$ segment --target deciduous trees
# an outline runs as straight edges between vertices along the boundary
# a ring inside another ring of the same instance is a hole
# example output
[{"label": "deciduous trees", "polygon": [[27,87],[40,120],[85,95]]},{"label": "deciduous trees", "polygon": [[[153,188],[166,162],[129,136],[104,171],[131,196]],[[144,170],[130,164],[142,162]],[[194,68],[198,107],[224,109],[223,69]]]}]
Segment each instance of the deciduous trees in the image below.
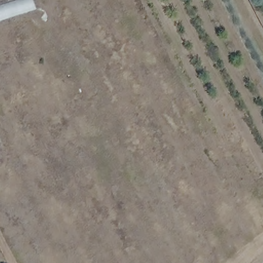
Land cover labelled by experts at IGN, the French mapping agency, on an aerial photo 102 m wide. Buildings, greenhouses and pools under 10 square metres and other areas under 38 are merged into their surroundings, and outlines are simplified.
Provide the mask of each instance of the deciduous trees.
[{"label": "deciduous trees", "polygon": [[215,98],[217,95],[217,91],[216,88],[211,84],[209,75],[206,74],[205,70],[198,69],[196,70],[197,77],[202,80],[203,86],[206,88],[206,92],[209,93],[209,96]]},{"label": "deciduous trees", "polygon": [[183,0],[185,11],[190,16],[190,23],[198,33],[198,38],[205,44],[206,55],[219,70],[239,110],[243,109],[245,103],[224,68],[217,45],[201,28],[201,18],[197,14],[196,6],[190,3],[191,0]]}]

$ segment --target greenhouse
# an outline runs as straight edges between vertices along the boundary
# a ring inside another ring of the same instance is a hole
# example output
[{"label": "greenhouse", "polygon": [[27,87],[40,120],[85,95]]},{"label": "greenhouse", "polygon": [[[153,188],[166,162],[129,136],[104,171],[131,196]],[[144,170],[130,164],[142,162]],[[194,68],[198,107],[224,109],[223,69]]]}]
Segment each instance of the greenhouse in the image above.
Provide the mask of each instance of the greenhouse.
[{"label": "greenhouse", "polygon": [[35,10],[33,0],[0,0],[0,21]]}]

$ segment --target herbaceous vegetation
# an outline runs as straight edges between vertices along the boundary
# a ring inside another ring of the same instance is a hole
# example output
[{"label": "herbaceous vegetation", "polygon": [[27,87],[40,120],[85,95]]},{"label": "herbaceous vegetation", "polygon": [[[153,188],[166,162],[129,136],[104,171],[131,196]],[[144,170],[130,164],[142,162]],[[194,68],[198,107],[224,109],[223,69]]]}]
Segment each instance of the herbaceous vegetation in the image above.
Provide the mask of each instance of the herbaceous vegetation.
[{"label": "herbaceous vegetation", "polygon": [[[197,14],[201,18],[201,28],[217,45],[224,68],[245,103],[243,109],[239,110],[219,70],[206,55],[205,44],[198,38],[198,33],[190,23],[190,16],[185,11],[183,0],[33,0],[35,10],[0,21],[0,263],[263,263],[263,0],[191,0],[190,3],[196,6]],[[206,92],[206,88],[203,86],[202,80],[197,77],[196,70],[198,69],[205,70],[206,74],[209,75],[211,84],[216,88],[217,91],[217,95],[215,98],[209,96],[209,93]]]}]

